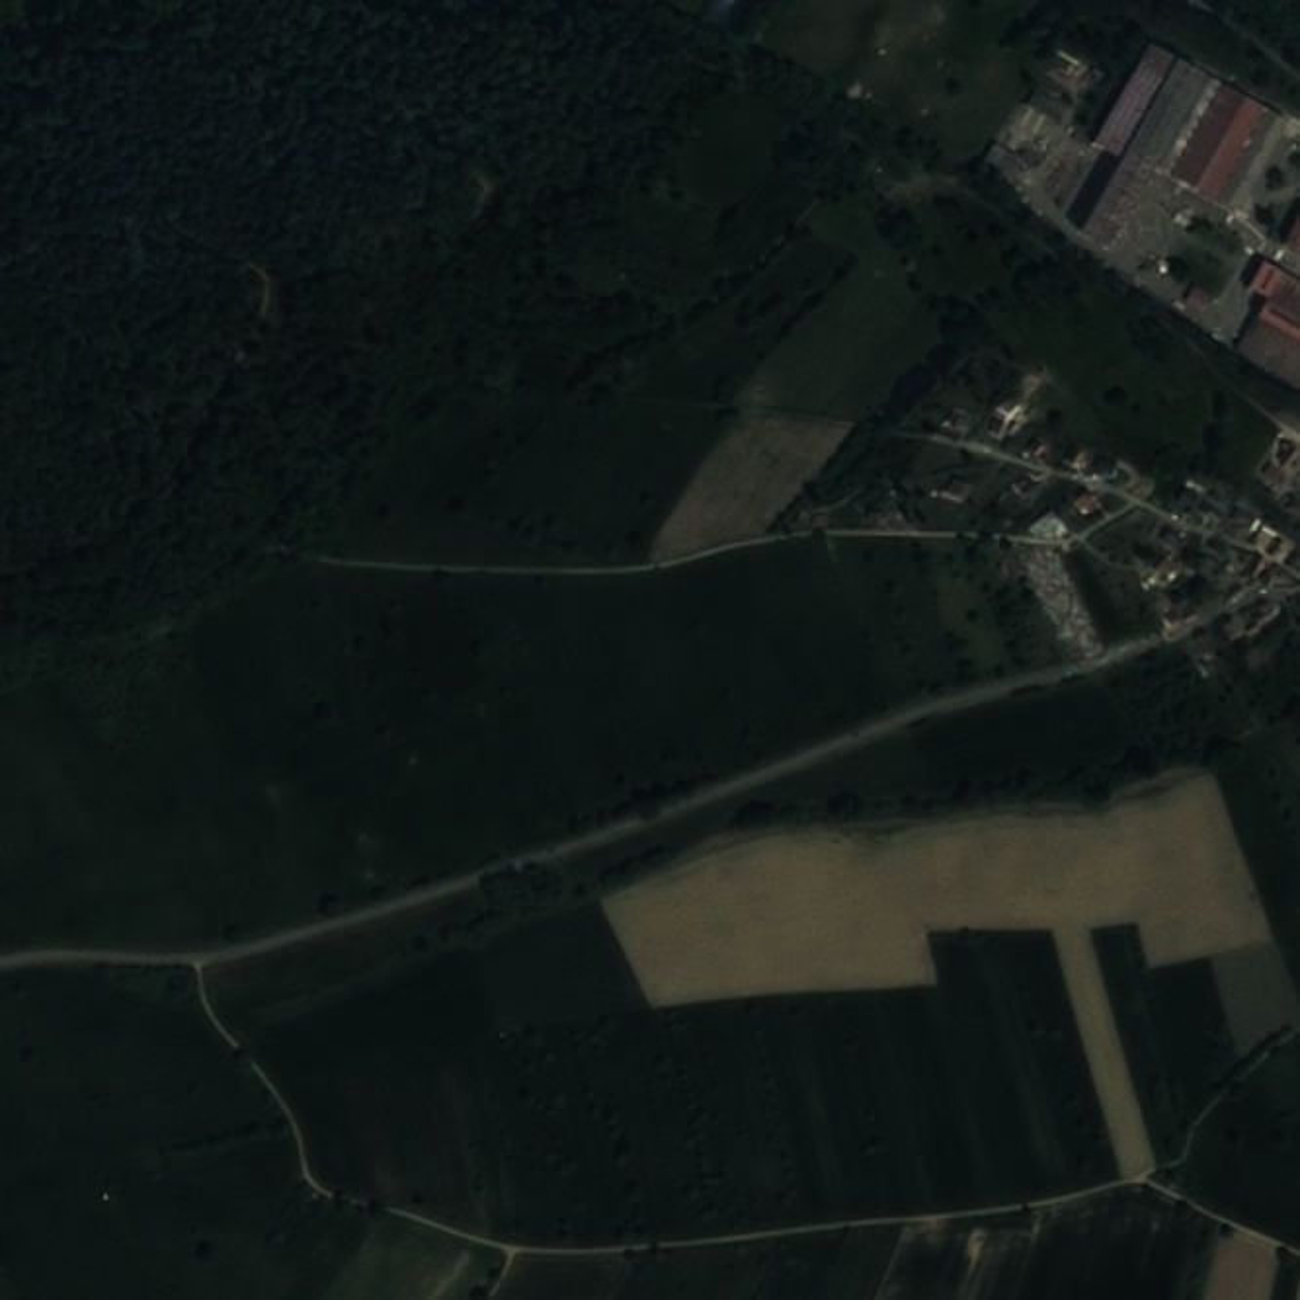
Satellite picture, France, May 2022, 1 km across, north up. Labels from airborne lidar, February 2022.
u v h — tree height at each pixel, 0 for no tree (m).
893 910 0
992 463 0
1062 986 0
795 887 0
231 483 9
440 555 0
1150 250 0
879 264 0
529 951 0
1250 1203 0
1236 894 0
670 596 0
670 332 19
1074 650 0
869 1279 0
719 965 0
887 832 0
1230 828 0
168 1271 0
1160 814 0
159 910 0
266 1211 0
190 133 30
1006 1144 0
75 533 28
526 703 0
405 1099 0
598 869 0
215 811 0
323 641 0
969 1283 0
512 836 0
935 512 0
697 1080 0
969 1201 0
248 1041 0
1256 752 0
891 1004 0
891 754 0
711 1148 0
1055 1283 0
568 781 0
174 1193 0
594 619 0
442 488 0
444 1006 0
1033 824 0
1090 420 0
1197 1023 0
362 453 28
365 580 0
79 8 37
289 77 30
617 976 0
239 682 0
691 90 11
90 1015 0
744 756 0
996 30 0
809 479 0
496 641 0
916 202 0
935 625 0
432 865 0
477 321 24
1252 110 0
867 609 0
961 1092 0
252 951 0
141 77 32
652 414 0
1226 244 0
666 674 0
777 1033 0
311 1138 0
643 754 0
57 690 0
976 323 20
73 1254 0
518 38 30
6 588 28
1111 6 24
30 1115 0
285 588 0
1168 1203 0
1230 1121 0
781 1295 0
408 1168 0
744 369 0
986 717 0
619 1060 0
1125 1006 0
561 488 0
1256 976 0
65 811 0
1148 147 0
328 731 0
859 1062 0
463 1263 0
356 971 0
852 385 0
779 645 0
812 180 18
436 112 0
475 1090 0
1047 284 18
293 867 0
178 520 22
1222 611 0
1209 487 0
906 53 0
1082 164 0
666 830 0
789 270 0
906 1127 0
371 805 0
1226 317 0
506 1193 0
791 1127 0
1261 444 0
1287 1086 0
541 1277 0
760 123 0
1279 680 0
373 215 22
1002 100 0
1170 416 0
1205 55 0
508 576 0
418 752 0
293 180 27
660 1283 0
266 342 7
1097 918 0
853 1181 0
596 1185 0
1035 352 0
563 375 0
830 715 0
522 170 22
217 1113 0
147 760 0
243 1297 0
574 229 27
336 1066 0
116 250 25
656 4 26
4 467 24
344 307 23
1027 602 10
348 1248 0
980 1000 0
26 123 31
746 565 0
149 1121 0
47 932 0
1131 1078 0
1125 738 0
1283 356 0
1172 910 0
